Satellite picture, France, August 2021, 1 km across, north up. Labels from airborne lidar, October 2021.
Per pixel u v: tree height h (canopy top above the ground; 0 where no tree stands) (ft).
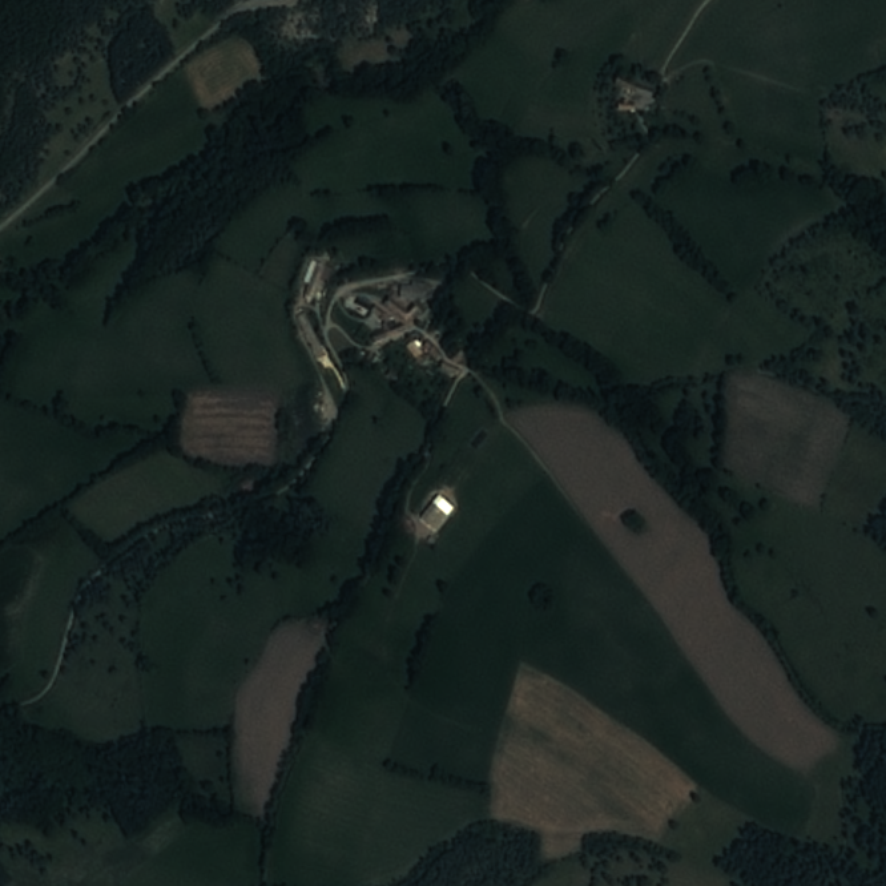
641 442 31
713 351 0
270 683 0
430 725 0
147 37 59
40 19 48
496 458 0
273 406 0
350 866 0
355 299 0
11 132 31
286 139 49
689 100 0
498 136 88
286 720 0
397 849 0
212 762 0
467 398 0
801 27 0
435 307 42
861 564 0
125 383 0
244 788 0
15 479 0
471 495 0
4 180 35
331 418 0
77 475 0
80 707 0
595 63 0
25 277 47
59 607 0
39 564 0
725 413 39
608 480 0
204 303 0
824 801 0
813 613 0
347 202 0
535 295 62
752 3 0
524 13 0
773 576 0
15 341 58
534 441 0
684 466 68
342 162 0
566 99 0
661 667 0
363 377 0
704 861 0
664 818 0
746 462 0
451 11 31
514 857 22
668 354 0
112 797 61
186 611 0
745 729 0
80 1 48
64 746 25
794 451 0
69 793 32
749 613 43
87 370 0
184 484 0
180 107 0
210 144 32
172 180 81
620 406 49
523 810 0
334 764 0
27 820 58
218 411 0
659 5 0
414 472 51
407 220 0
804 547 0
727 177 0
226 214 63
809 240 27
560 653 0
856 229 40
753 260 0
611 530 0
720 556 51
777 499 0
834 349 0
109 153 0
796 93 0
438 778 28
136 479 0
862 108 22
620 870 0
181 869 0
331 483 0
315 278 0
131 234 54
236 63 0
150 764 64
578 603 0
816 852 33
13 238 0
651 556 0
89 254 84
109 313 31
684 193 0
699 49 0
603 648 0
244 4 0
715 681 0
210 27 0
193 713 0
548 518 0
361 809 0
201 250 27
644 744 0
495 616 0
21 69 23
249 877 0
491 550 0
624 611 0
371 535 0
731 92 0
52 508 40
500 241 45
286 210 0
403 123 0
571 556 0
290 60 31
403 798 0
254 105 83
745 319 0
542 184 0
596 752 0
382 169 0
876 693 0
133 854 0
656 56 0
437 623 49
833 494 0
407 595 0
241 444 0
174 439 50
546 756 0
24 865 0
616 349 0
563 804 0
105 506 0
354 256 0
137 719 0
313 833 0
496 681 0
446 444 0
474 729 0
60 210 44
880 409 36
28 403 31
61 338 0
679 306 0
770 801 0
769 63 0
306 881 0
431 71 75
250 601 0
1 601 0
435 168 0
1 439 0
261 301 0
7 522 0
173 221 81
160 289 0
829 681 0
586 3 0
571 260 0
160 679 0
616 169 0
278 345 0
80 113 0
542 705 0
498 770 0
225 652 0
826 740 0
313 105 60
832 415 0
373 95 67
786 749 0
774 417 0
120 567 27
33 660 0
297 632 0
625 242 0
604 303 0
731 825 0
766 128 0
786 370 28
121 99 56
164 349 0
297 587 0
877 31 0
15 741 29
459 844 29
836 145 0
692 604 0
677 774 0
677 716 0
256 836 0
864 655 0
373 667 0
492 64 0
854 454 0
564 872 0
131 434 41
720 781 0
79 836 36
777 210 0
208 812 63
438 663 0
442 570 0
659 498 0
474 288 0
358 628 0
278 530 78
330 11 31
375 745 0
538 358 0
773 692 0
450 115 0
